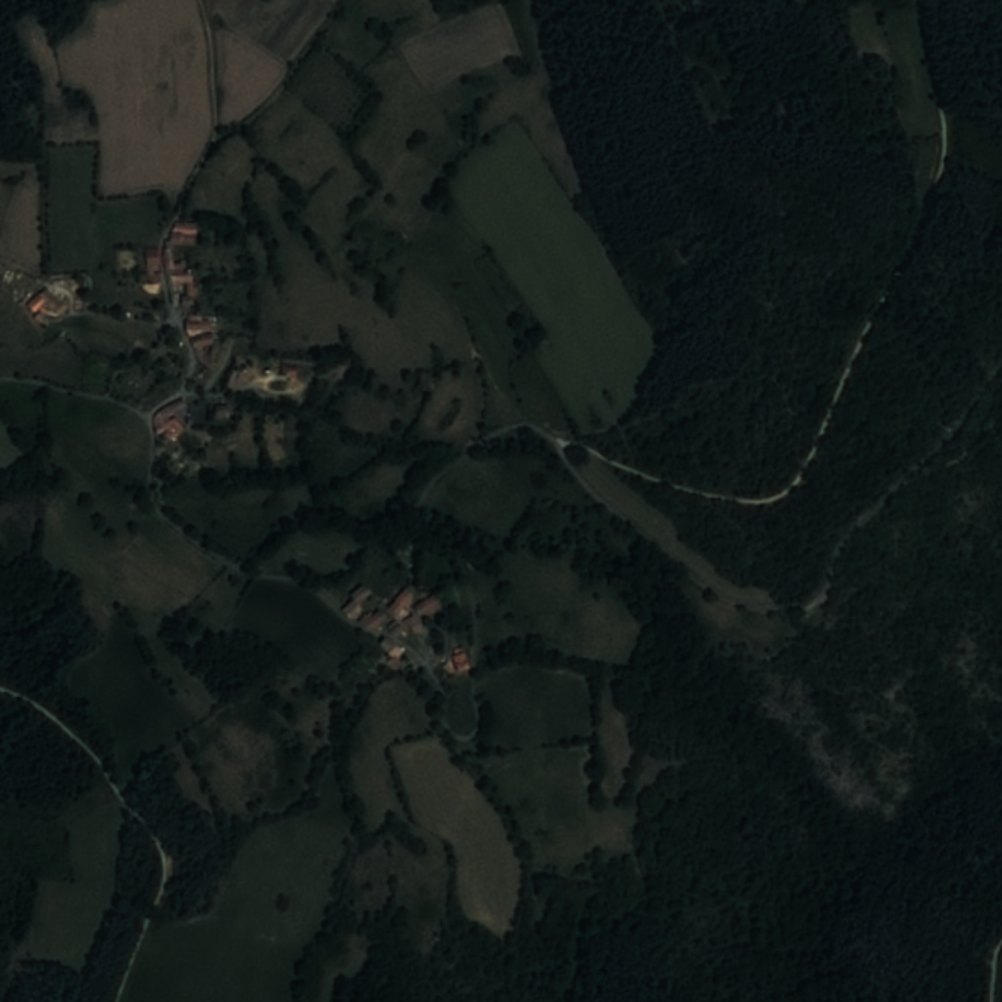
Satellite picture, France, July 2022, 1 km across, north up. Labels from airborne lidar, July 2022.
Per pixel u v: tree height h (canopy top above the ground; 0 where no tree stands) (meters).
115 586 0
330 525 14
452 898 12
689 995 17
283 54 0
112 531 8
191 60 0
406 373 12
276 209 0
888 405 11
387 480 0
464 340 0
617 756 0
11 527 0
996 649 14
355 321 0
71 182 0
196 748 10
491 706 13
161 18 0
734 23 25
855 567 11
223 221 18
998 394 12
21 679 13
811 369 9
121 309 13
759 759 12
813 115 28
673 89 25
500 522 0
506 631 0
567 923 16
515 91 0
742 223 13
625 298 0
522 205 0
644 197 28
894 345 12
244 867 0
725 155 23
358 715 8
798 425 10
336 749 9
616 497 0
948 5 28
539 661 19
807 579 9
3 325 0
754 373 9
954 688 8
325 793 0
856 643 17
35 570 16
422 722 0
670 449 9
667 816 15
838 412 14
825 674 12
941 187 12
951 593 8
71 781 12
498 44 0
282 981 0
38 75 21
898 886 18
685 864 15
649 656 16
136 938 16
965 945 13
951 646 10
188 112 0
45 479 11
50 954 0
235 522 0
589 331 0
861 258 11
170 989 0
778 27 23
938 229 28
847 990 16
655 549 16
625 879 11
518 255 0
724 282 23
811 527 12
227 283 6
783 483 9
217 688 9
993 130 23
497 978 13
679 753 7
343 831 0
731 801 18
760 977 18
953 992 13
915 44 0
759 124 21
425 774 0
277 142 0
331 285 0
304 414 11
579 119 22
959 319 13
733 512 10
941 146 0
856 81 8
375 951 13
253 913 0
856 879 16
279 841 0
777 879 13
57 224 0
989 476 11
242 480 15
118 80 0
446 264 0
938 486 18
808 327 9
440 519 18
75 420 0
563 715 0
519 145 0
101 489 0
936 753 9
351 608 0
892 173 26
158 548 0
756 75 14
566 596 0
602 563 8
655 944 20
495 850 0
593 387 0
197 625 13
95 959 19
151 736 0
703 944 16
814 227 12
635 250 22
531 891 6
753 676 8
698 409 6
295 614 0
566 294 0
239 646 9
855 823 10
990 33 26
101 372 0
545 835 12
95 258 0
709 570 0
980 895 14
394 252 5
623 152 27
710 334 24
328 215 0
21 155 11
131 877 12
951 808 20
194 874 8
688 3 8
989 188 18
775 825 7
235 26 0
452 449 12
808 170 21
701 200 11
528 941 18
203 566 0
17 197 0
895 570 14
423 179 0
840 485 9
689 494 10
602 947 30
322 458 0
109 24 0
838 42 11
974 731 14
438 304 0
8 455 0
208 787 12
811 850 17
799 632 9
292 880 0
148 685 0
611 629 0
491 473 0
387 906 7
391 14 0
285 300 0
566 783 0
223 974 0
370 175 16
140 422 0
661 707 11
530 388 0
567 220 0
